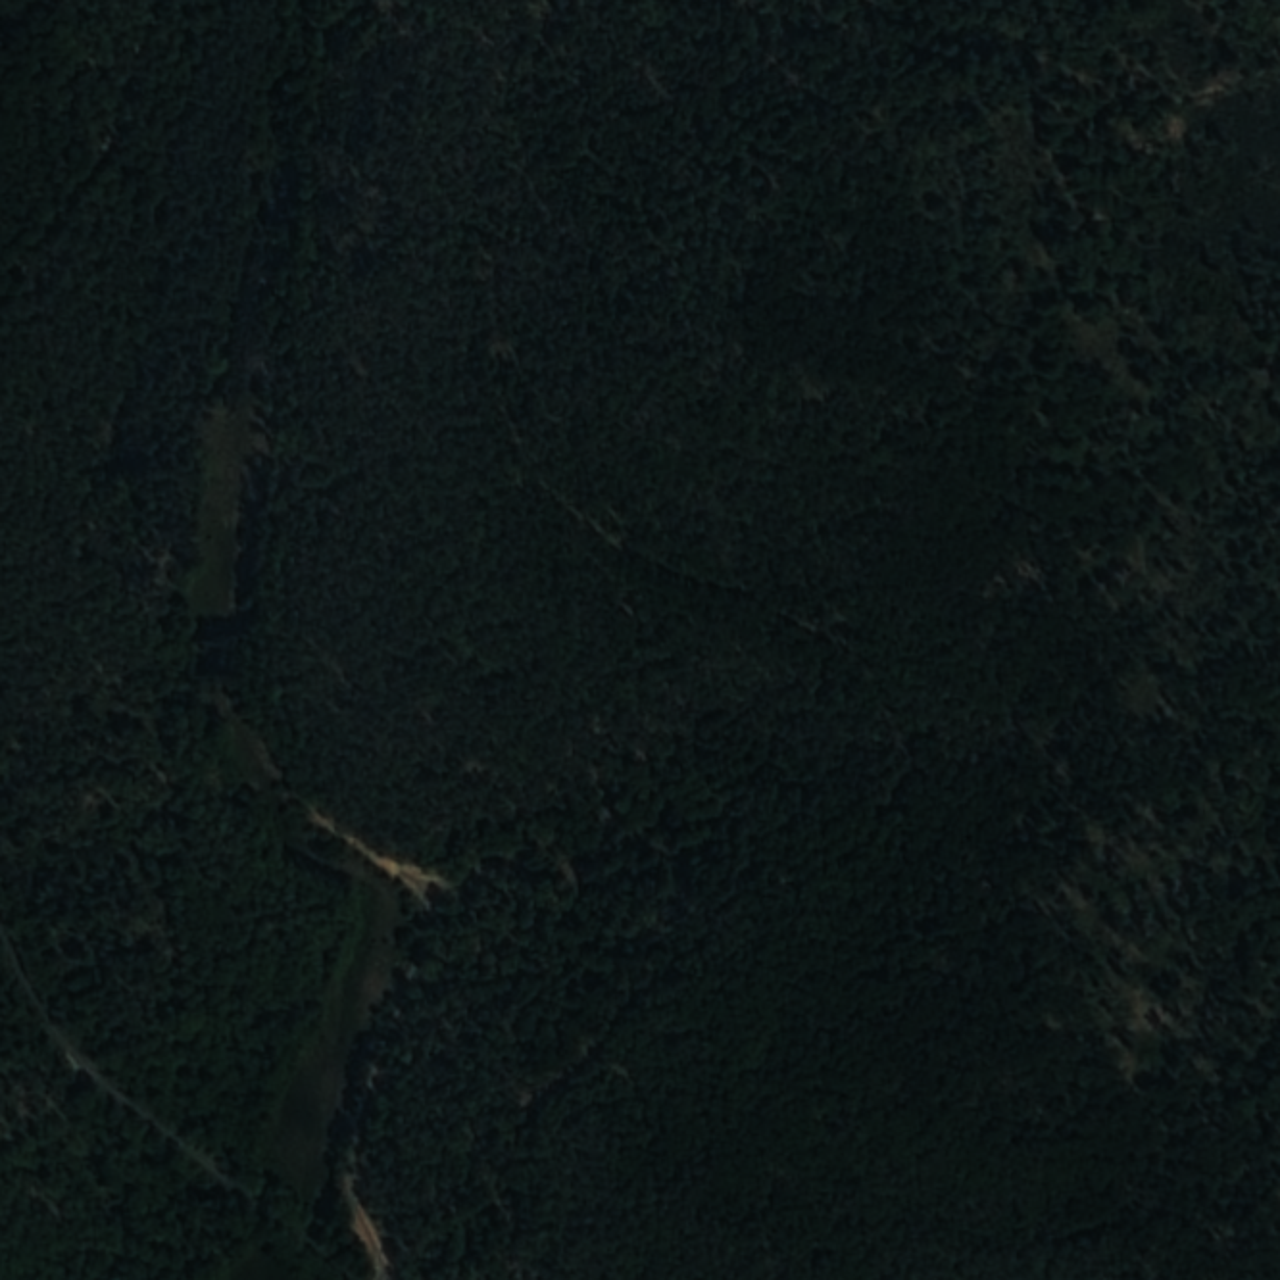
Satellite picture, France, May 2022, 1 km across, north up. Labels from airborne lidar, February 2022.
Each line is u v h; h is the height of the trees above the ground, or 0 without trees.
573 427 26
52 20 28
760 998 23
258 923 23
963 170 25
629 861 29
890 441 23
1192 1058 28
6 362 30
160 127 30
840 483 27
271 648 33
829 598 23
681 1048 19
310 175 35
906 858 24
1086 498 31
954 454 23
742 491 23
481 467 27
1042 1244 27
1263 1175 26
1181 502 29
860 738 24
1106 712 24
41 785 30
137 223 28
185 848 29
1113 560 0
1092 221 38
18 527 28
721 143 27
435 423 26
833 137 26
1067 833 25
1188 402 30
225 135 37
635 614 28
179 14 43
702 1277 24
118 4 32
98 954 26
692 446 24
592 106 22
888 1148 21
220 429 0
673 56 27
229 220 33
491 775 27
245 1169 26
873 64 29
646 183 25
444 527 21
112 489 14
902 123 22
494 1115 27
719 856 26
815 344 22
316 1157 0
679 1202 23
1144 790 29
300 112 40
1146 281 28
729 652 25
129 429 26
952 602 24
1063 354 10
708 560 21
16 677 28
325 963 28
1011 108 34
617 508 21
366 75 10
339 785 28
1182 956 0
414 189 28
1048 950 28
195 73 27
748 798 24
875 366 24
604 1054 21
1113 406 37
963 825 25
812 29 31
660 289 26
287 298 35
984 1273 14
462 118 28
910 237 20
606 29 30
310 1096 0
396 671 25
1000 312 7
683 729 28
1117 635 22
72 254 33
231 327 29
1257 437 31
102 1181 30
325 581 27
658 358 23
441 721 28
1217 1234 28
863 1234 27
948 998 23
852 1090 20
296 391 34
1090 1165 24
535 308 26
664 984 17
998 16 32
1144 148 32
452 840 26
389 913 0
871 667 25
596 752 30
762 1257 26
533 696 27
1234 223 6
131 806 27
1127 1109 26
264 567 30
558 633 23
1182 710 25
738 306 20
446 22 30
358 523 25
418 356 29
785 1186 26
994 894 27
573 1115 25
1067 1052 25
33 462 28
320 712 32
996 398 29
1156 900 30
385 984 0
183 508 11
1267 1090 26
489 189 27
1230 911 29
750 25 30
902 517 22
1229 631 28
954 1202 25
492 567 22
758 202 26
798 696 28
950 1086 21
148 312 25
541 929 30
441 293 28
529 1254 25
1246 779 29
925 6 36
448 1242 25
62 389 30
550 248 21
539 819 34
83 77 27
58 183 25
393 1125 30
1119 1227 25
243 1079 23
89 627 26
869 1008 21
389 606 27
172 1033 29
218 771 27
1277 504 0
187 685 23
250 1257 0
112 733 22
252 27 36
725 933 25
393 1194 30
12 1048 24
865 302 22
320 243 38
